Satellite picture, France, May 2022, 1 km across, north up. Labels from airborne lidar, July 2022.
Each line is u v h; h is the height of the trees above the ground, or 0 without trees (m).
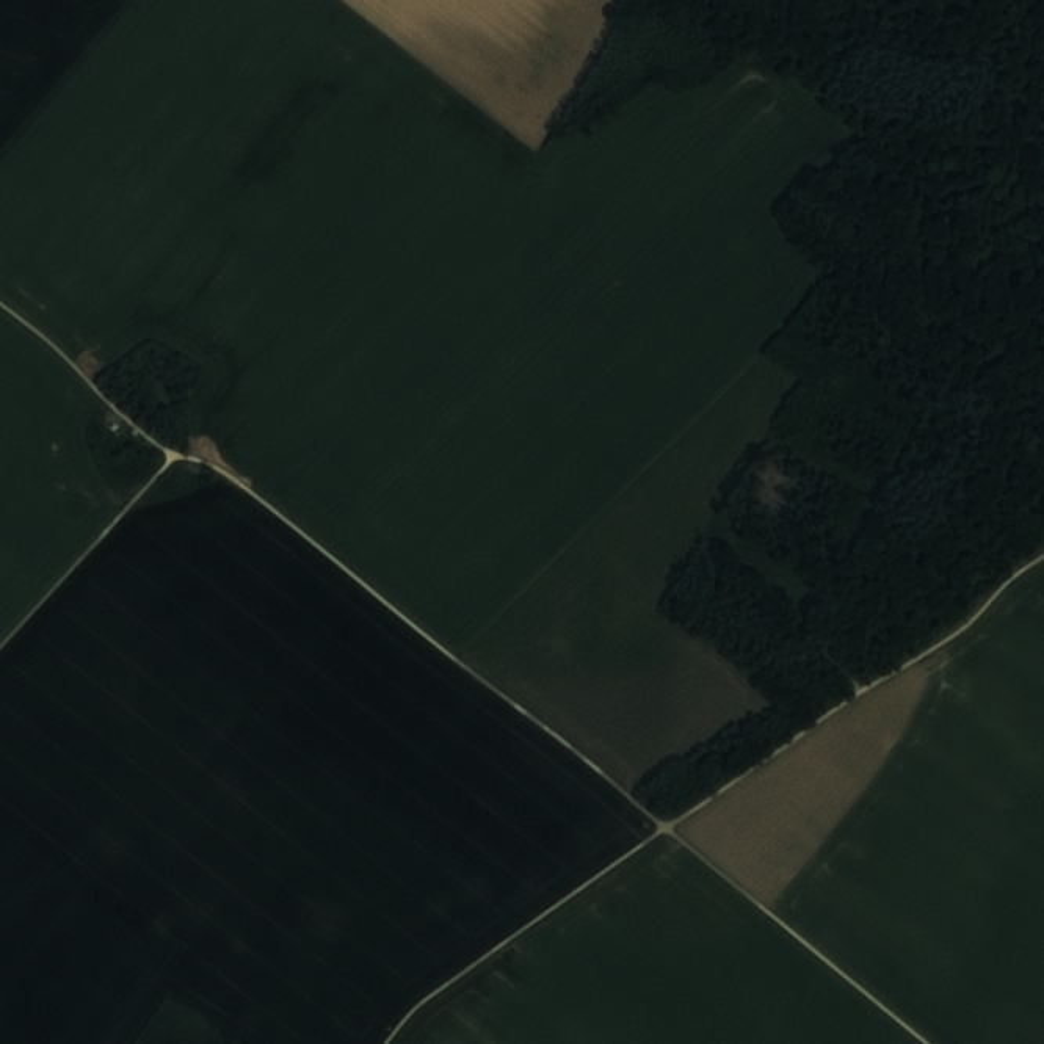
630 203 0
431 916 0
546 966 0
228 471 0
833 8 20
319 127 0
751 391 0
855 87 30
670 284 0
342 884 0
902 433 7
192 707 0
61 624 0
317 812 0
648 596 0
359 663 0
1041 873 0
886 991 0
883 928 0
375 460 0
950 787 0
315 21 0
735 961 0
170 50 0
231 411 0
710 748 7
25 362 0
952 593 22
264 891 0
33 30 0
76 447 0
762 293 0
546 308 0
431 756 0
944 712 0
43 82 0
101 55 0
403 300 0
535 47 0
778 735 14
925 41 29
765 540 23
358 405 0
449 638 0
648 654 0
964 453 22
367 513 0
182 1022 0
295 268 0
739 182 0
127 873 0
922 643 20
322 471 0
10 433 0
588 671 0
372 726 0
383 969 0
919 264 27
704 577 20
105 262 0
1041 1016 0
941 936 0
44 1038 0
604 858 0
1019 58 27
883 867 0
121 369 10
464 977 0
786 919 0
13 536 0
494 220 0
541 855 0
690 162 0
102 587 0
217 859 0
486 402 0
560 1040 0
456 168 0
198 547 0
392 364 0
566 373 0
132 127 0
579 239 0
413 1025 0
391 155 0
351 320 0
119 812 0
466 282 0
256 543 0
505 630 0
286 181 0
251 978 0
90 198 0
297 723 0
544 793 0
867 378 12
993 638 0
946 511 25
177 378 8
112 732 0
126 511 0
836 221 26
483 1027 0
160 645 0
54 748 0
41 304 0
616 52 24
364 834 0
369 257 0
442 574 0
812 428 13
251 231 0
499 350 0
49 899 0
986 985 0
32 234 0
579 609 0
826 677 22
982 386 23
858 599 24
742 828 0
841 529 14
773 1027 0
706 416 0
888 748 0
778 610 27
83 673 0
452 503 0
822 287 15
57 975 0
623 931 0
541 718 0
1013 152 30
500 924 0
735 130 0
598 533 0
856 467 6
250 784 0
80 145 0
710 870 0
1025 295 31
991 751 0
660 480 0
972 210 24
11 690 0
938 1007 0
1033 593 0
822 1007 0
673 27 21
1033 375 27
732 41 17
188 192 0
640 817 0
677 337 0
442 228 0
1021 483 28
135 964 0
